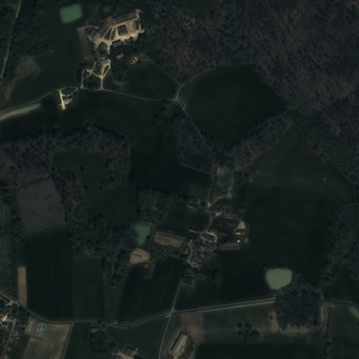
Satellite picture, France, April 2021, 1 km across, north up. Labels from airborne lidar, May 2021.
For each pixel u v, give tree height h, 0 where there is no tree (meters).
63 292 0
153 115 0
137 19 0
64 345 0
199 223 0
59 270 0
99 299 0
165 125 0
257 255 0
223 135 0
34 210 9
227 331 0
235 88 0
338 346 0
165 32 17
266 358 0
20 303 0
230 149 8
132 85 0
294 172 0
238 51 20
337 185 0
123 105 0
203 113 0
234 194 0
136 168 0
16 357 0
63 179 17
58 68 0
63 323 0
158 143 0
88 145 15
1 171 12
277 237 0
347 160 19
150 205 23
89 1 0
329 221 0
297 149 0
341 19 22
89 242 22
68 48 0
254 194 0
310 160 0
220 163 19
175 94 13
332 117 20
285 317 14
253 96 0
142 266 0
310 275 0
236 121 0
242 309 0
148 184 0
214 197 0
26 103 0
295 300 22
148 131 0
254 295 0
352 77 13
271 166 0
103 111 0
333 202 0
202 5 0
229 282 0
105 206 0
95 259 0
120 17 0
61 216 9
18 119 0
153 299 0
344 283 0
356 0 10
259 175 0
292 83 20
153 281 0
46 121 0
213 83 0
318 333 0
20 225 26
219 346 0
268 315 0
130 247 17
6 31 21
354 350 0
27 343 0
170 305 0
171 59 16
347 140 20
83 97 0
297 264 0
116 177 10
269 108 0
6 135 0
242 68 0
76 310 0
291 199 0
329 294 0
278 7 23
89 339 0
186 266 0
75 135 19
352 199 0
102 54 11
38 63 0
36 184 13
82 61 0
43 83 0
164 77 0
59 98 0
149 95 0
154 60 0
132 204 0
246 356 0
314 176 0
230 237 7
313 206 0
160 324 0
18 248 0
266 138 19
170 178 0
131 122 0
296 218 0
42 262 0
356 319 0
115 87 11
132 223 0
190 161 11
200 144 16
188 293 0
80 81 10
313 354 0
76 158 0
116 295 0
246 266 0
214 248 0
